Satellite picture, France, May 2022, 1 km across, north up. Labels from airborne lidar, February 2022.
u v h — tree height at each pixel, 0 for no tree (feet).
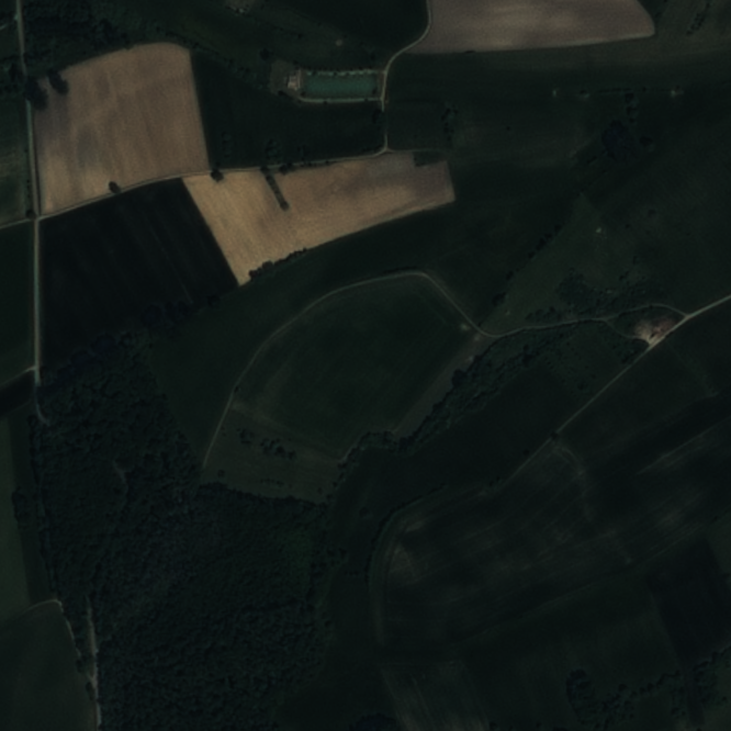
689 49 0
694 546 0
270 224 0
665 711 0
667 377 0
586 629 0
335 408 0
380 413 0
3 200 0
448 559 0
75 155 0
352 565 0
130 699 82
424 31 0
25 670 0
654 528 0
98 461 96
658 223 0
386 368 0
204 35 0
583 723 33
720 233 0
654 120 0
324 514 47
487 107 0
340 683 0
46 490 65
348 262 0
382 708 0
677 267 0
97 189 0
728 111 0
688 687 0
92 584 72
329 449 0
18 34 0
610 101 0
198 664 97
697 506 0
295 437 0
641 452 0
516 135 0
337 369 0
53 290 0
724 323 0
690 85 0
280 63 0
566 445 0
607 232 0
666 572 0
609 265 0
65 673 0
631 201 0
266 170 36
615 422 0
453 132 21
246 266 0
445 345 0
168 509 81
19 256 0
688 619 0
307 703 0
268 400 0
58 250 0
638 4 0
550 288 0
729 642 0
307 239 0
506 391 0
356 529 0
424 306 0
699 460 0
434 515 0
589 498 0
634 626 0
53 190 0
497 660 0
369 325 0
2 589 0
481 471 0
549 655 0
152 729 92
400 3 0
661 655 0
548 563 0
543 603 0
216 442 0
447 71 0
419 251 0
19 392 0
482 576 0
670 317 0
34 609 0
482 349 0
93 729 0
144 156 0
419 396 0
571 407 0
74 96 0
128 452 91
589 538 0
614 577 0
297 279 0
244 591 57
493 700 0
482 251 0
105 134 0
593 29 0
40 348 0
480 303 0
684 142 0
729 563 0
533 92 0
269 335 0
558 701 0
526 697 0
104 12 21
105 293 0
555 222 0
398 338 0
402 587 0
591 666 0
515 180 0
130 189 0
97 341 0
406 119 0
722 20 0
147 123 0
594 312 25
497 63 0
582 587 0
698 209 0
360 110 0
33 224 0
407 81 0
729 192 0
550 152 0
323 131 0
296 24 0
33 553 0
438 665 0
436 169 0
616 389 0
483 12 0
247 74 30
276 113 0
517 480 0
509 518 0
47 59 45
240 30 0
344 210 0
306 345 0
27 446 0
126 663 77
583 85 0
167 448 93
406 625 0
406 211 0
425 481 0
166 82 0
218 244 0
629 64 0
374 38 0
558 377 0
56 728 0
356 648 0
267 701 89
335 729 0
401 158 0
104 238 0
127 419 101
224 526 72
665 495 0
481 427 0
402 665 0
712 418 0
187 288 0
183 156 0
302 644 97
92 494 100
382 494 0
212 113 0
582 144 0
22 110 0
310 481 0
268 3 0
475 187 0
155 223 0
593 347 0
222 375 0
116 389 98
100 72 0
